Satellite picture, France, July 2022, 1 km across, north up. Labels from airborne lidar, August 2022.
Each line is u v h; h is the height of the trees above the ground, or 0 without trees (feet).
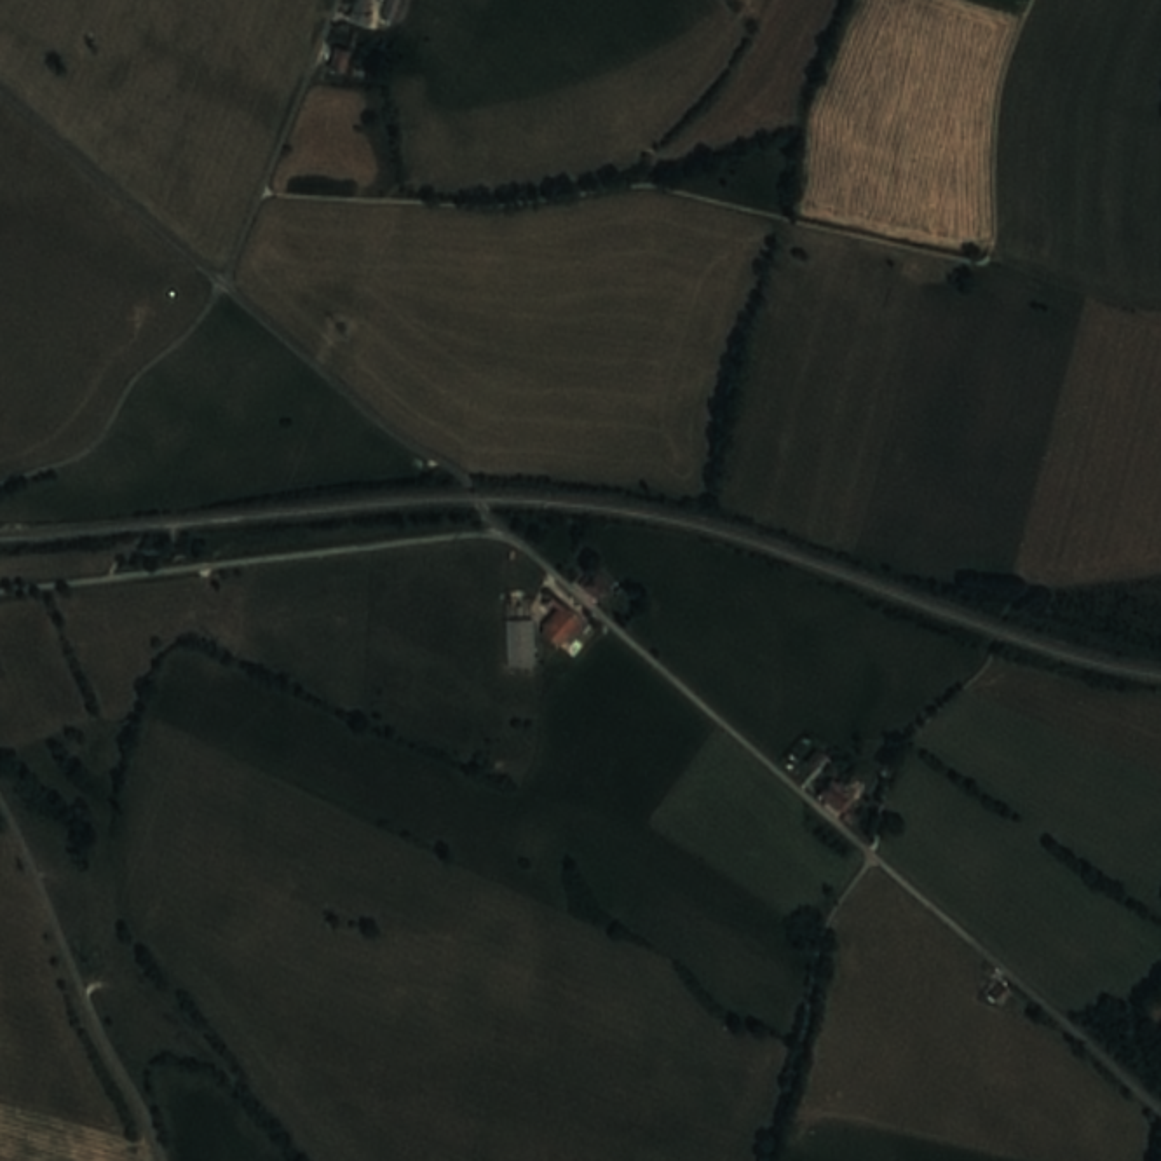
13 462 0
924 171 0
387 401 0
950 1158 0
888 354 0
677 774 0
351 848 0
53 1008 0
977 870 0
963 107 0
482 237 0
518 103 0
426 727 0
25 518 0
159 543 39
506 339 0
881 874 0
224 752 0
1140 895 0
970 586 59
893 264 20
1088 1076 0
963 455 0
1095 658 0
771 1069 0
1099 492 0
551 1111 0
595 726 0
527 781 0
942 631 46
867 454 0
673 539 0
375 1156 0
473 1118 0
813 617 0
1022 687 0
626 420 0
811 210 0
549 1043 0
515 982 0
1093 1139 0
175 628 0
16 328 0
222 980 0
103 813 0
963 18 0
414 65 0
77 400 0
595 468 0
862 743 37
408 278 0
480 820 0
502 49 0
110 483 0
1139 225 0
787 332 0
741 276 0
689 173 52
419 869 0
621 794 0
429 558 0
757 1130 0
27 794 20
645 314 0
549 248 0
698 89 0
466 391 0
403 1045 0
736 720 0
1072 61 0
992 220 0
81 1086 0
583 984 0
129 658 0
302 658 0
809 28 0
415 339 0
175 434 0
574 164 0
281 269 0
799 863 0
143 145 0
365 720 55
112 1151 0
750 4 0
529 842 0
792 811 0
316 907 0
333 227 0
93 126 0
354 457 0
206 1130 0
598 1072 0
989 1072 0
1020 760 0
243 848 0
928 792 0
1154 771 0
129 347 0
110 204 0
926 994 0
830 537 0
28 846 0
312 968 0
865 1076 0
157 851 0
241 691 0
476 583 0
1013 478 0
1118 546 0
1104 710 0
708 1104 0
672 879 0
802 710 0
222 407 0
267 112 0
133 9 0
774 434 0
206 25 0
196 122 0
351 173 0
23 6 0
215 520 0
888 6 0
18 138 0
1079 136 0
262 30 0
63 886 0
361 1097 0
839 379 0
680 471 0
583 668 0
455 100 0
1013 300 0
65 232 0
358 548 0
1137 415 0
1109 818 0
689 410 0
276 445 0
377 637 0
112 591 0
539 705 0
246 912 0
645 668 0
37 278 0
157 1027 0
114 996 0
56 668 0
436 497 0
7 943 0
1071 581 0
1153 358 0
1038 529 0
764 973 0
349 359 0
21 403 0
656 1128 0
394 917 0
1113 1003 46
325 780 0
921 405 0
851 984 0
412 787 0
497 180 0
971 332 0
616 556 0
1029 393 0
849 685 0
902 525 0
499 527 0
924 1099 0
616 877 0
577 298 0
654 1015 0
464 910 0
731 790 0
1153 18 0
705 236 0
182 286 0
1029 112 0
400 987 0
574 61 0
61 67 55
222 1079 37
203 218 0
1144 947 0
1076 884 0
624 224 0
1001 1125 0
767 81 0
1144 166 0
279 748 0
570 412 0
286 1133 30
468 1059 0
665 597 0
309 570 0
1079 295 0
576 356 0
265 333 0
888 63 0
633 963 0
